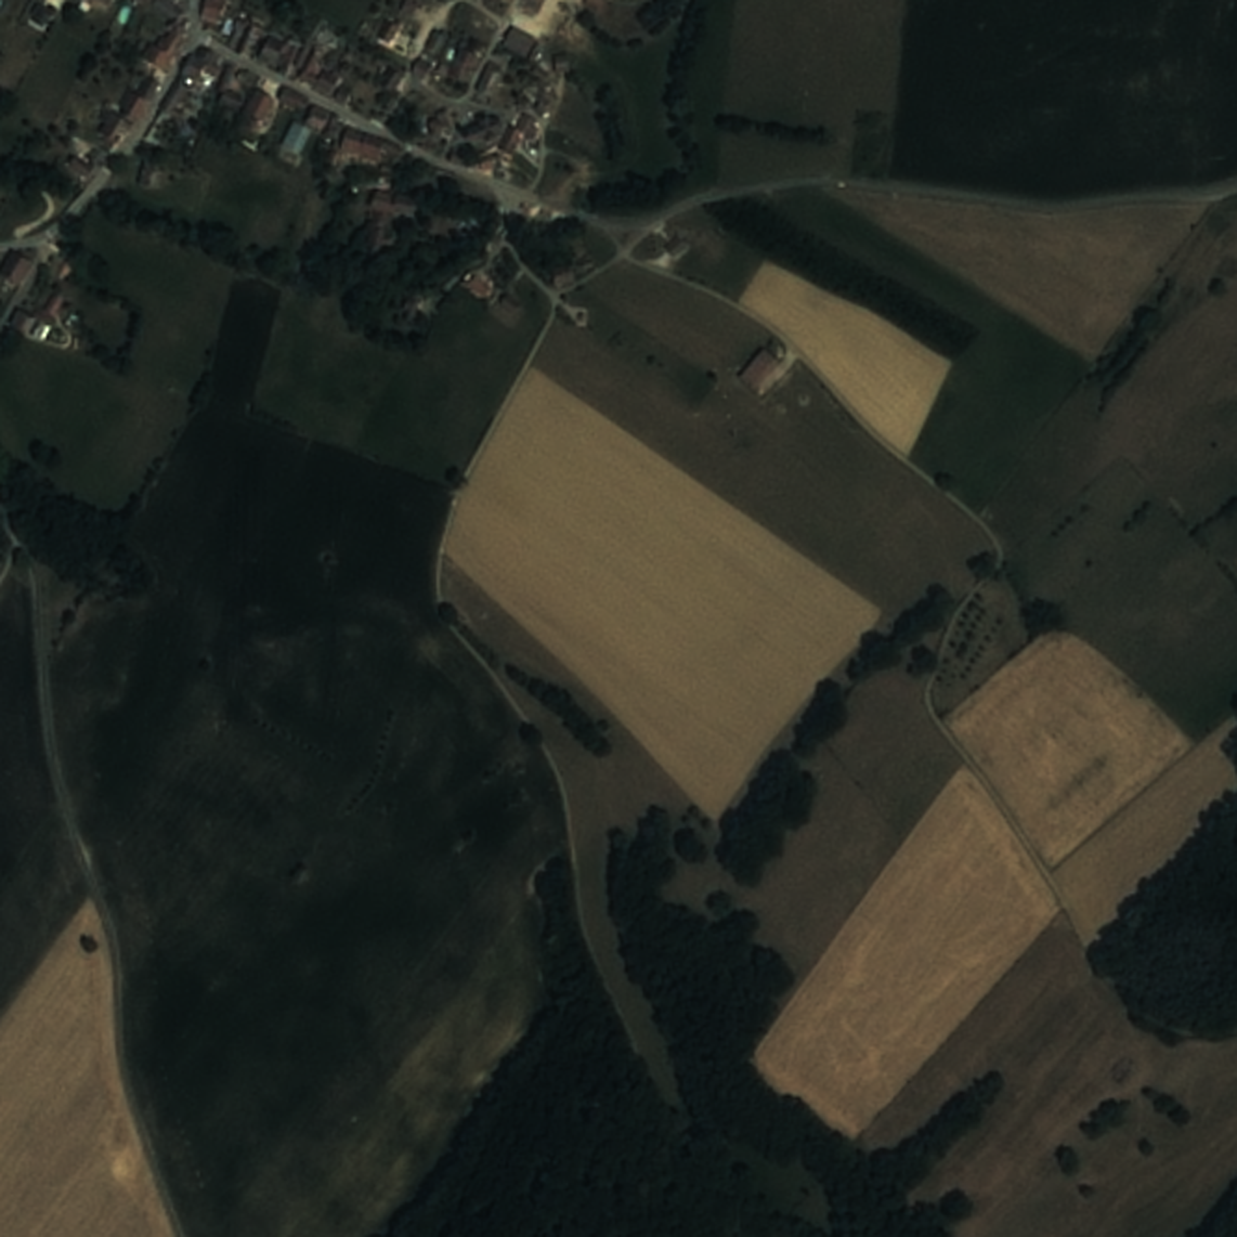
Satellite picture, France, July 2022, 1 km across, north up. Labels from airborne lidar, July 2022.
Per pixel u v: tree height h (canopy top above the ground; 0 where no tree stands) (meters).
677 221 0
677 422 0
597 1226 24
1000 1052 0
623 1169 22
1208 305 0
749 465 0
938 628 13
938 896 0
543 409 0
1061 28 0
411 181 16
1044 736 0
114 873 0
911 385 0
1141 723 0
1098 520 0
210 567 0
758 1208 21
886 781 0
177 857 0
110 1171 0
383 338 18
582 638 0
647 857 21
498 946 0
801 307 0
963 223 0
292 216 0
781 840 19
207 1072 0
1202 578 0
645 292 0
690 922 16
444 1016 0
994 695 0
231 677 0
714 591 0
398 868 0
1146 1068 0
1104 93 0
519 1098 22
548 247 15
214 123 7
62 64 0
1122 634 0
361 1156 0
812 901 0
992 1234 0
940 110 0
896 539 0
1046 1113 0
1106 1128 18
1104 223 0
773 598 0
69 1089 0
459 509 0
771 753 0
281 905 0
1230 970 20
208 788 0
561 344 0
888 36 0
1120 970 22
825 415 0
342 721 0
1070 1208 0
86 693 0
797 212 0
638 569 0
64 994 0
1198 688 0
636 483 0
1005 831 0
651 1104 23
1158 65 0
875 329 0
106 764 0
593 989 17
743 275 0
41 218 0
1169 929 23
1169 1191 0
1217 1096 0
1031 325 0
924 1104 0
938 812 0
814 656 0
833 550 0
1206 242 0
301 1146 0
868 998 0
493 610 0
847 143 0
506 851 0
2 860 0
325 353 0
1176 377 0
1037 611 14
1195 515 0
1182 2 0
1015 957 0
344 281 19
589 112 0
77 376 0
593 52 0
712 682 0
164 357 0
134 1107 0
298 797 0
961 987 0
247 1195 0
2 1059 0
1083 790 0
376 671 0
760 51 0
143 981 0
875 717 0
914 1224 24
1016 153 0
